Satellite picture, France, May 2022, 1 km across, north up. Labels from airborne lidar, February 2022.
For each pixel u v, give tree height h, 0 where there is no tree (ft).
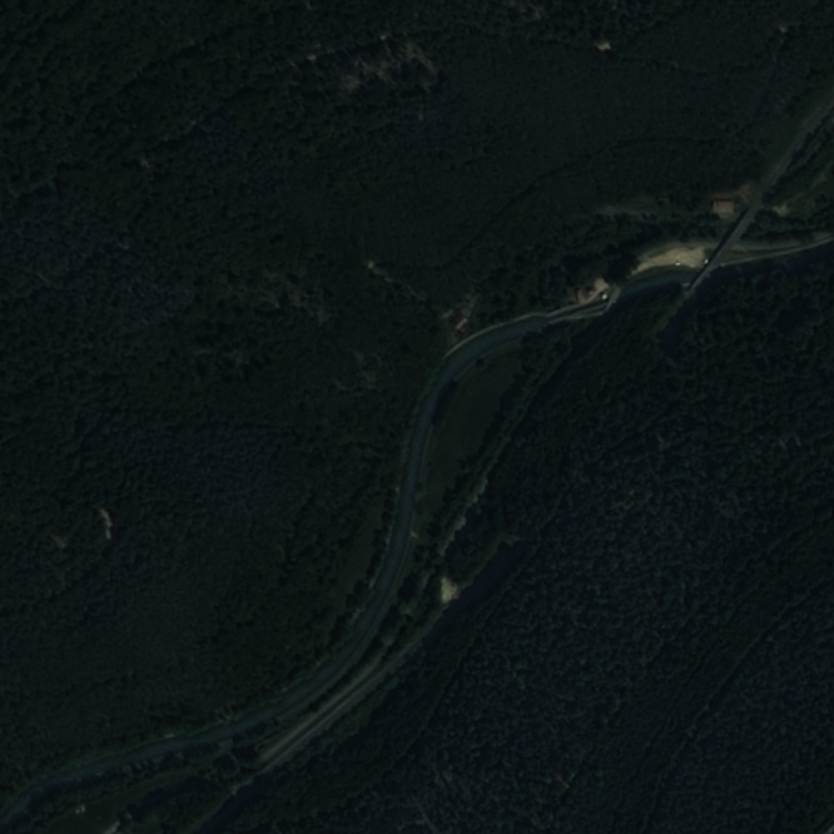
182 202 92
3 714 84
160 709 76
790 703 39
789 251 0
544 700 88
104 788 79
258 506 66
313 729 0
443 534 31
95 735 57
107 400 84
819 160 21
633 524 90
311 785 60
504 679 62
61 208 88
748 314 80
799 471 40
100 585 75
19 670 70
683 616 77
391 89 32
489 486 0
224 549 79
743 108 54
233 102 95
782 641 69
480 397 0
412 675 57
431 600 64
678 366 97
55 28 95
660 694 28
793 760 92
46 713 73
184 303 56
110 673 70
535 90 62
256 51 104
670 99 55
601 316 0
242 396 68
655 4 80
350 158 85
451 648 69
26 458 98
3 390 74
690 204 40
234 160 102
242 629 88
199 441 89
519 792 64
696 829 83
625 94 54
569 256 0
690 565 81
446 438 0
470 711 90
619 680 74
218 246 84
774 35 46
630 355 68
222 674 73
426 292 76
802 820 78
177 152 95
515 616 81
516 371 0
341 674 0
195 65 93
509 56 72
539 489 27
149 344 51
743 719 81
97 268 94
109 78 97
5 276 96
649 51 55
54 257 93
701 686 29
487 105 76
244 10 77
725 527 32
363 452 66
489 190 67
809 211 0
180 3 77
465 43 85
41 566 91
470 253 65
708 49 56
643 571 75
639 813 31
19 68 103
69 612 83
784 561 31
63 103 103
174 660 53
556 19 82
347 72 94
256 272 31
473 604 59
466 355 0
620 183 60
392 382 32
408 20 84
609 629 75
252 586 79
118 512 83
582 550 89
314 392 48
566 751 71
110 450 87
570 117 58
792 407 41
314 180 77
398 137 86
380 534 34
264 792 91
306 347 24
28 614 82
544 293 66
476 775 81
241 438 81
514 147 58
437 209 71
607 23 52
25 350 94
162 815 62
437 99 75
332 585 88
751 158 67
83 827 0
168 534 84
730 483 87
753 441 28
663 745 33
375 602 0
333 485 74
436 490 0
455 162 73
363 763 60
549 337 73
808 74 52
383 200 71
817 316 100
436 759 79
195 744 0
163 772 76
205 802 78
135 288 49
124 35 90
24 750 69
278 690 69
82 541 92
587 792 18
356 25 75
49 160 90
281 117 87
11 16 94
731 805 95
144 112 101
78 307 94
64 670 63
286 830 100
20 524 85
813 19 62
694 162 55
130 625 65
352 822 26
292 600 97
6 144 71
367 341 30
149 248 87
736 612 26
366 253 76
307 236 67
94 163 89
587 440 23
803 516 47
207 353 19
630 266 101
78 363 76
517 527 38
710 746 77
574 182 61
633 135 57
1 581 75
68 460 95
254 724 0
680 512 80
